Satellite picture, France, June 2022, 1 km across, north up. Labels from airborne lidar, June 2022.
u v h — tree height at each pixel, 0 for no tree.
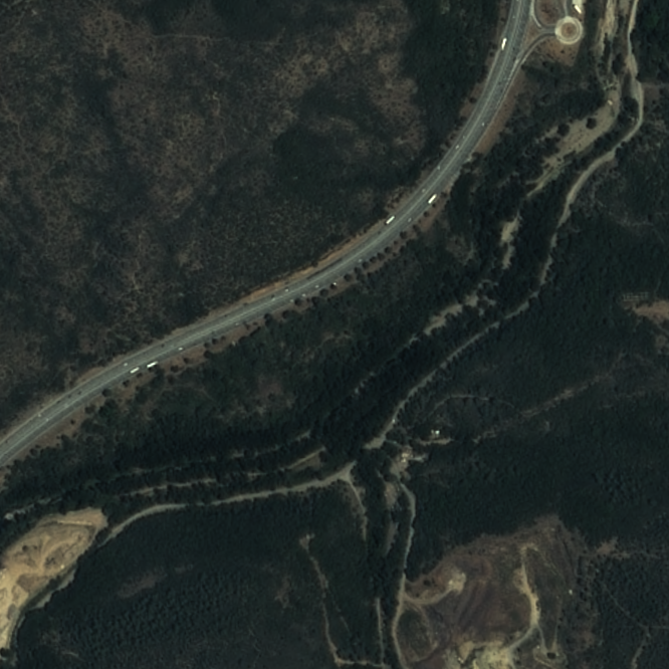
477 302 0
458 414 10
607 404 14
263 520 11
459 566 0
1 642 0
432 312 19
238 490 13
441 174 0
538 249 15
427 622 0
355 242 0
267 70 0
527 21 0
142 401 7
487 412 19
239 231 6
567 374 7
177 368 7
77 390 0
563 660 0
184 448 23
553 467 10
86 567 18
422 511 10
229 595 11
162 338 9
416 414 7
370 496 9
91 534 0
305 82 0
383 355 27
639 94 0
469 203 18
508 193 18
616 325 12
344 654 14
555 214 10
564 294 6
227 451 31
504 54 0
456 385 8
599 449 7
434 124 9
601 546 6
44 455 11
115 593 6
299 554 9
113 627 12
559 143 12
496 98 0
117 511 16
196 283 7
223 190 6
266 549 8
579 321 7
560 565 0
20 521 13
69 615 11
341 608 7
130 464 33
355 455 21
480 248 15
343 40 0
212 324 0
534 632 0
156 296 7
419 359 32
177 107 0
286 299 0
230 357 5
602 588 15
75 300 6
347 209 8
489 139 0
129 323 7
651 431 15
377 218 6
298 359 12
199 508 12
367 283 11
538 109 7
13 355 0
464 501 10
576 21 0
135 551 7
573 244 11
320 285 0
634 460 5
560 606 0
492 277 22
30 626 10
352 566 15
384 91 0
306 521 11
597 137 0
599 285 11
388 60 0
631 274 9
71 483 21
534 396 7
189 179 0
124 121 0
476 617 0
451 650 0
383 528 18
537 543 0
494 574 0
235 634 6
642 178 7
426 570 9
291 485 9
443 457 9
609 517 8
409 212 0
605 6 0
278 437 28
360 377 30
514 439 10
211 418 10
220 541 11
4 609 0
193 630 12
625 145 12
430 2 12
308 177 7
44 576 0
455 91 8
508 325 12
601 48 0
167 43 0
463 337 21
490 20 8
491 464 8
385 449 14
